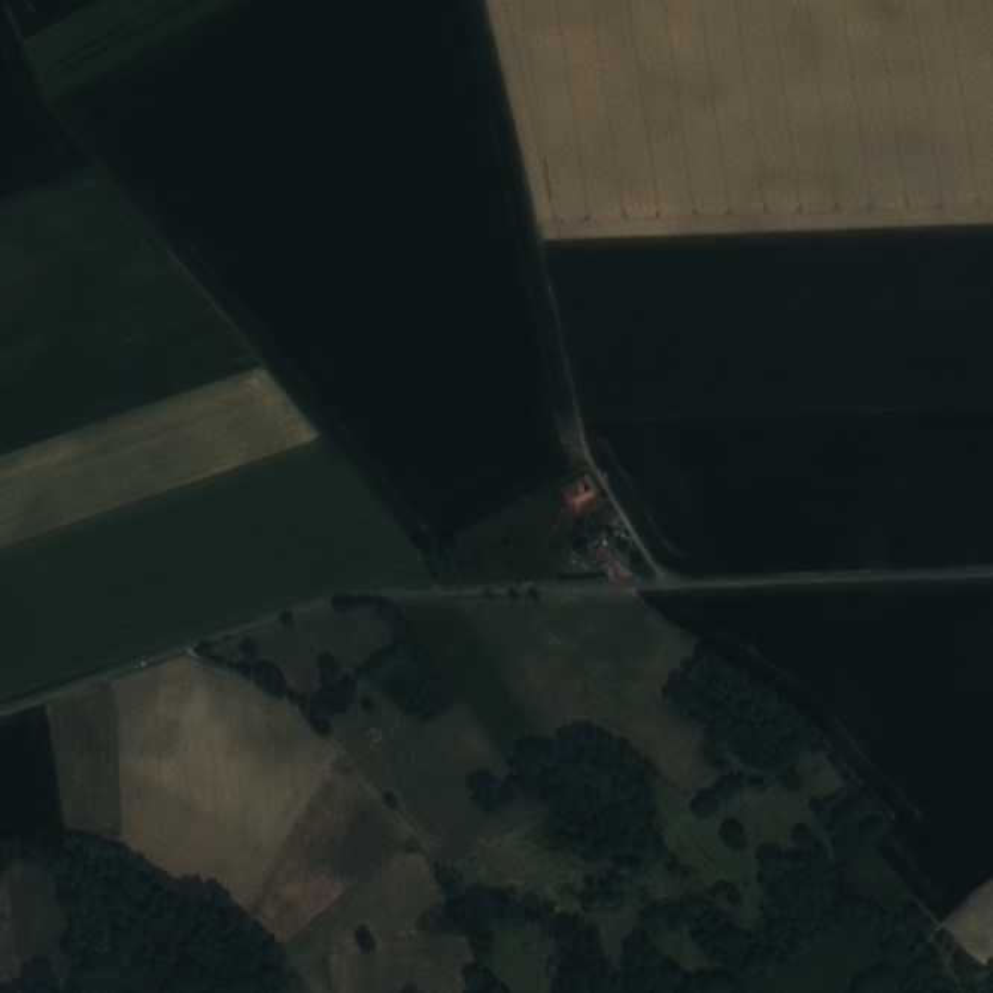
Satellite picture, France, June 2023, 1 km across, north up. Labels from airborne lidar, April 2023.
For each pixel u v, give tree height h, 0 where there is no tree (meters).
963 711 0
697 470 0
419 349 0
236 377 0
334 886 0
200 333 0
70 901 17
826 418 0
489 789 26
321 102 0
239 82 0
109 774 0
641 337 0
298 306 0
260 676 17
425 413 0
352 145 0
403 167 0
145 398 0
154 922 25
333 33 0
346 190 0
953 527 0
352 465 0
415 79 0
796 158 0
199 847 0
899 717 0
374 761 0
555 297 0
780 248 0
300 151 0
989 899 0
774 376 0
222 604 0
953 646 0
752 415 0
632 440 0
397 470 0
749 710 16
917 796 0
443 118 0
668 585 0
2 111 0
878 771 0
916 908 15
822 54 0
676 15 0
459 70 0
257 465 0
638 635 0
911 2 0
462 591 0
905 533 0
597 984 23
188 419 0
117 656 0
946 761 0
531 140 0
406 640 13
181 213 0
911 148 0
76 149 0
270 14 0
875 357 0
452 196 0
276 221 0
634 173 0
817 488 0
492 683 0
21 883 0
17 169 0
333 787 0
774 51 0
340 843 0
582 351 0
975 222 0
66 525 0
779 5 0
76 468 0
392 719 0
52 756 0
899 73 0
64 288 0
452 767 0
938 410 0
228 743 0
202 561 0
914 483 0
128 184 0
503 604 0
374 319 0
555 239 0
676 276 0
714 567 0
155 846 0
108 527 0
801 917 22
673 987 22
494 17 0
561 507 0
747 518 0
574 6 0
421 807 0
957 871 0
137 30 0
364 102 0
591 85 0
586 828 16
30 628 0
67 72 0
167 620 0
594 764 26
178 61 0
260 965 19
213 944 22
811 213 0
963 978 8
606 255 0
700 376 0
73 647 0
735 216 0
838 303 0
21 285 0
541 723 0
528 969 0
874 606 0
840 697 0
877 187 0
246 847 0
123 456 0
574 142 0
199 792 0
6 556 0
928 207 0
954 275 0
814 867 23
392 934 0
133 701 0
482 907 26
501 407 0
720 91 0
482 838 0
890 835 0
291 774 0
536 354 0
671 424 0
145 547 0
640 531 0
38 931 0
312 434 0
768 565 0
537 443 0
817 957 0
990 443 0
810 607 0
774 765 21
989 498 0
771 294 0
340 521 0
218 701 0
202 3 0
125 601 0
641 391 0
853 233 0
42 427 0
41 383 0
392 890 0
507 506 0
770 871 18
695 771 0
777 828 0
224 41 0
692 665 14
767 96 0
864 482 0
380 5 0
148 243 0
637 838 13
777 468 0
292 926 0
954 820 0
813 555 0
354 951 0
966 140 0
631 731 0
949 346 0
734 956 17
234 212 0
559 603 0
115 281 0
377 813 0
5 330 0
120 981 21
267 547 0
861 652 0
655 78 0
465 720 0
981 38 0
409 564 0
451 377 0
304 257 0
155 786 0
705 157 0
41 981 28
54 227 0
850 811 15
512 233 0
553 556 0
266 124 0
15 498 0
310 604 0
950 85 0
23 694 0
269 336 0
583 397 0
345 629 0
